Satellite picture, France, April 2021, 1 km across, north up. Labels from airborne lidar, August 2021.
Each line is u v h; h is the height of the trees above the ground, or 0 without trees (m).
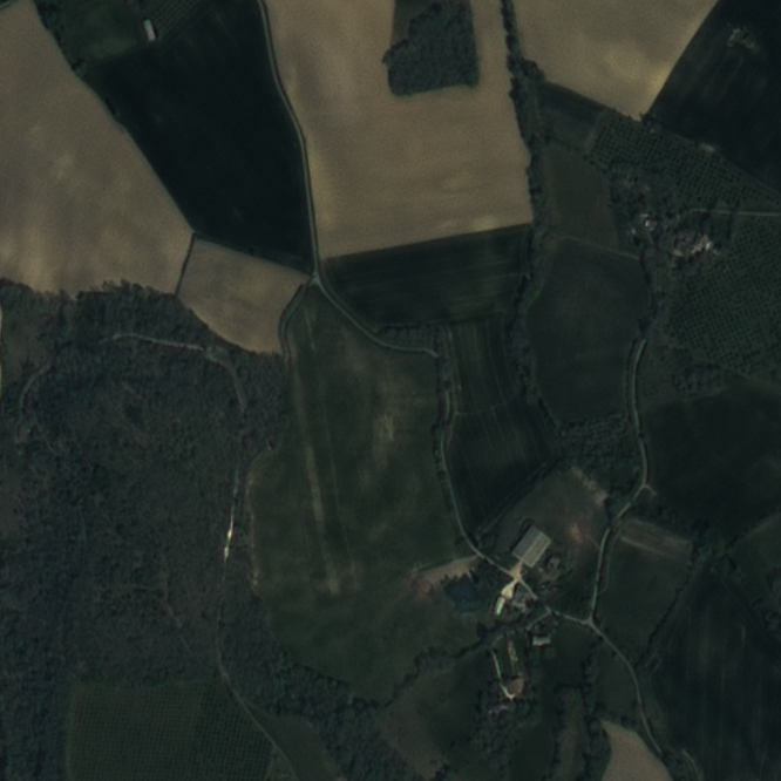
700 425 0
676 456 0
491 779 0
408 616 0
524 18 0
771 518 13
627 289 0
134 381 9
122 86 0
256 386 15
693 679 0
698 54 0
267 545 0
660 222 12
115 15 0
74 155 0
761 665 0
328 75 0
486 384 0
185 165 0
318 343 0
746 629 0
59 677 14
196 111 0
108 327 15
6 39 0
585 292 0
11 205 0
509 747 13
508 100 0
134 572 8
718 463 0
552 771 11
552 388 0
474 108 0
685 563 0
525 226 0
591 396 0
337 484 0
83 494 7
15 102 0
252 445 14
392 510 0
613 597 0
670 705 0
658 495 0
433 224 0
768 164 0
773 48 0
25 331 0
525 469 0
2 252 0
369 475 0
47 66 0
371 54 0
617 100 0
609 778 0
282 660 25
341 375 0
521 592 0
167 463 15
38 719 9
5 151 0
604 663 0
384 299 0
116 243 0
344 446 0
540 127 0
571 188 0
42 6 0
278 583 0
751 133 0
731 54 0
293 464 0
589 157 6
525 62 0
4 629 11
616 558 0
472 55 25
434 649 0
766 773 0
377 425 0
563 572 6
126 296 18
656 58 0
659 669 0
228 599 14
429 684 0
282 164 0
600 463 13
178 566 10
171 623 9
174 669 13
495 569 7
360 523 0
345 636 0
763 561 0
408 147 0
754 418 0
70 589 8
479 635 0
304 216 0
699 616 0
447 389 9
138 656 14
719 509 0
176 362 6
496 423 0
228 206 0
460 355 0
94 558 10
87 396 13
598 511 0
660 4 0
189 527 11
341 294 0
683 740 0
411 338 13
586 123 0
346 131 0
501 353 0
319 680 17
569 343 0
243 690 13
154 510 10
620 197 13
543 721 16
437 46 22
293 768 0
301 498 0
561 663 0
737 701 0
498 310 0
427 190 0
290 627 0
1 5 0
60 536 11
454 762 0
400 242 0
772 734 0
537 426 0
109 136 0
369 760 19
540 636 0
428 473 0
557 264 0
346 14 0
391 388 0
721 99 0
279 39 0
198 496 11
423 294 0
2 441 7
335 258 0
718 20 0
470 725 0
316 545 0
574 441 9
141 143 0
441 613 0
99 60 0
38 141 0
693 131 0
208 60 0
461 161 0
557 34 0
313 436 0
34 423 9
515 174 0
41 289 0
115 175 0
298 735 0
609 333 0
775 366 0
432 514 0
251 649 23
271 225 0
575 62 0
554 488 0
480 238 0
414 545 0
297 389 0
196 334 7
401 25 0
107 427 12
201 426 13
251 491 0
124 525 10
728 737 0
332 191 0
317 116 0
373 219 0
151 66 0
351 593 0
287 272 0
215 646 14
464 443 0
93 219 0
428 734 0
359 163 0
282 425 21
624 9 0
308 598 0
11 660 14
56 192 0
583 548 0
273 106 0
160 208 0
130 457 11
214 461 13
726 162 6
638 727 11
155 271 0
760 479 0
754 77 0
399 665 0
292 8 0
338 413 0
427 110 0
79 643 7
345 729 22
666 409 0
